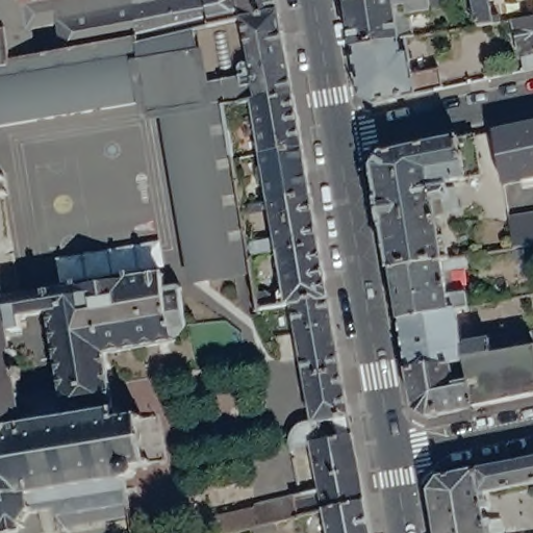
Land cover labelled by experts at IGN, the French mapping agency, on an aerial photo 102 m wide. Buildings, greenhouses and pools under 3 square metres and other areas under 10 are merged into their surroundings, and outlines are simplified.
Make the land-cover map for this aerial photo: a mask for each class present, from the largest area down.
<instances>
[{"label":"building","instance_id":"1","mask_svg":"<svg viewBox=\"0 0 533 533\"><path fill-rule=\"evenodd\" d=\"M42 27H54L60 37H67V48L44 50L15 58L8 56V50L12 46L27 42L33 35V31ZM279 31L275 25L273 0H0V123L29 117H46L54 112L83 110L117 102H135L139 115H148L154 121L160 119L164 127V142L179 214L183 254L185 262L192 267V277L196 281H233V285L242 289L246 287L244 277L248 273L250 252V244L254 242L246 235V225H242L239 221L237 204H233V152L231 129L227 123L223 102L235 100H239L242 104H250L246 112V129L252 142L250 150L254 175L258 181L256 204H260L264 231H269V248L271 281L277 283L275 304L258 306L254 308V312L285 308V323L294 327L289 339L294 352L291 364L300 391L298 408L306 410V418H312L316 425V429L310 431L306 443V454L310 458L312 471L310 479L314 481V487L285 498L258 502L252 508L221 514L214 518V529L219 533H223L227 529L273 523L306 512L310 514L306 518L310 533H366L364 525L356 527L352 523L354 518H362V502L354 452L350 443V429L346 427L350 410L341 404V387L331 383L333 379H337V364L325 362V358L335 356V350L323 300V283L319 275V258L310 212H298V206L308 204V198L304 187L298 137L285 135V131L296 129V125L294 121L281 119L283 115H291V106H281L289 100V90L277 87V83L287 79V75L281 42L277 35ZM439 0H341L339 25L344 46L352 48V65L356 69L354 81L360 85L362 100L371 102L373 106H383L398 100H412L414 90L427 92L435 90L437 85H443V79H439V71L435 67L427 71L410 69V62L414 58L412 50L404 46V37L414 35L416 27L427 25V6L437 4ZM468 12H473L479 19L471 31L483 33V27L500 25L502 21V15L508 12V0H466ZM512 50L518 52V56H523V65L533 73V15L512 21V37L508 40ZM489 154L502 183L533 177V119L498 125L487 133ZM479 173L475 135H427L412 142H398L383 148H375L373 154L366 158L371 208L381 248L375 254V262L377 269L385 267L391 287L398 344L402 356L406 358V366H398V379L402 385L408 387L406 391L410 394V406L423 410L421 421L425 423L448 414H460L473 408L498 406L533 398V325H529L531 344L491 350L487 335H458V316L468 312V304L466 291H450V289H448V283H450V281H454V279H452V271H454V269H466L468 260L464 256H450L448 248H437L433 223L429 221L427 196L431 189H448V181L460 185L466 175ZM0 192L10 189L8 177L0 175ZM504 225L510 229L508 237L521 250V262H529L533 256V212L512 214L508 210L504 221ZM162 246L158 242H146L56 258L58 279L50 281L46 287H40L35 298L10 302L0 291V533H23L27 529L29 518L33 514H40L42 508L52 510L54 525L62 523L71 527L81 523L104 521L108 525L104 533H129L125 527L129 510L131 493L127 481L137 475V471H146L150 475L154 471H169L171 466L169 450V429L164 412L154 416H135L123 410L125 396L129 394V389L123 394L121 389H112L108 385L112 360L115 354H123L125 350L133 348H146L154 354H171L175 341L185 327V316L183 287H177V283H164ZM35 316L40 319L42 346L46 356L44 366L52 369L54 387L60 394L54 404L60 412L33 414L8 421L4 412L17 404V383L10 381V366H6L2 360L4 354H8L4 350V341L19 335L25 329L27 319ZM533 479V454L483 462L473 468L464 466L433 473L425 485L431 533H485L487 527H483L481 523L483 508H479V502H485L483 489L496 487L504 483Z\"/></svg>","mask_w":533,"mask_h":533},{"label":"impervious surface","instance_id":"2","mask_svg":"<svg viewBox=\"0 0 533 533\"><path fill-rule=\"evenodd\" d=\"M275 25L279 31L277 35L281 42L287 75V79L277 83V87L289 90V100L281 106H291V115H283L281 119L294 121L296 125V129L285 131V135L298 137L304 187L308 198V204L298 206V212H310L319 258V275L323 283V300L335 350V356L325 358V362L337 364V379H333L331 383L341 387V404L350 410L346 427L350 429V443L354 452L362 502V518H354L352 523L356 527L364 525L366 533H431L425 485L433 473L464 466L473 468L483 462L533 454V398L498 406L473 408L460 414H448L425 423L421 421L423 410L410 406V394L406 391L408 387L402 385L398 379V366H406V358L402 356L398 344L391 287L385 267L377 269L375 262V254L381 248L371 208L366 158L373 154L375 148H383L398 142H412L427 135H475L479 173L466 175L460 185L448 181V189H431L427 196L429 221L433 223L437 248H448L454 244L456 233L450 227V217H460L464 214V210H468L471 214H477L481 219L496 217L504 221L508 210L512 214L533 212V177L502 183L489 154L487 133L498 125L533 119V73L523 65V56H518V52L512 50L508 40H487V35L483 33L471 31H466L460 37V42H454L446 50H437L433 48V44H423L418 42V35H414L404 37V46L412 50L414 58L410 62V69L427 71L435 67L439 71V79H443V85H437L435 90L427 92L414 90L412 100H398L383 106H373L371 102L362 100L360 85L354 81L356 69L352 65V48L344 46L339 25L341 0H273ZM500 52L516 56L518 69L502 75H485V60ZM508 12L502 15V21H512L533 15V0H508ZM67 37H60L54 27H42L33 31V35L27 42L12 46L8 50V56L15 58L44 50L67 48ZM0 175L8 177L10 189L0 192V291L10 302L35 298L40 287H46L50 281L58 279L56 258L146 242H158L162 246L164 283H177V287H183L198 283V287L206 296L217 300L229 314L237 319L233 325L198 323L194 325L192 341L200 369L214 364H250L264 358L271 371L267 410H271L279 421L277 429L289 435L287 443L281 446L273 458L254 462L256 479L252 485V498L212 506L214 518L221 514L252 508L258 502L285 498L314 487V481L310 479L312 471L310 458L306 454V443L310 431L316 429V425L312 418H306V410L298 408L300 391L291 364L294 352L289 339L294 327L285 323V316L279 319V329L273 331L279 337L281 354L271 356L267 344L262 341L250 316L254 312V308L258 306L275 304L277 283L271 281L269 285L250 283L248 273L244 277L246 287L242 289L233 285V281H196L192 277V267L185 262L183 254L179 214L164 142V127L160 119L154 121L148 115H139L135 102H117L83 110L54 112L46 117H29L0 123ZM252 227L258 229V239L254 242L250 244V252H269V231H264L260 204H256L252 206L250 214ZM452 279H454V281H450V283H448V289H450V291H458V289H460V285H466V269H454V271H452ZM523 306L516 298L502 300L498 304H468V312L458 316V335H487L491 350L531 344L529 325L516 316ZM21 348L29 350L35 356V369L19 371L15 366L12 356ZM4 350L8 354H4L2 360L6 366H10V381L17 383V404L4 412L8 421L33 414L60 412L54 404L60 394L54 387L52 369L44 366L46 356L42 346L40 319L35 316L27 319L25 329L19 335L4 341ZM108 385L112 389H121L123 394L129 389V394L125 396L123 410L135 416H154L164 412L150 379H131V369L119 366L117 360H112ZM177 466H171L169 471H154L150 475L146 471H137V475L127 481L131 493L129 510L131 514H148L154 518L171 508H177L179 500L183 498V493L175 485ZM498 489L496 487L483 489L485 502H479V508H483L481 523L483 527H487L485 533H533V496L529 491H516L506 493L502 498H493L491 491ZM108 525L104 521L81 523L71 527L62 523L54 525L52 510L42 508L40 514H33L29 518L27 529L23 533H104Z\"/></svg>","mask_w":533,"mask_h":533},{"label":"deciduous trees","instance_id":"3","mask_svg":"<svg viewBox=\"0 0 533 533\"><path fill-rule=\"evenodd\" d=\"M437 4L443 8V29L466 31H471L479 19L473 12H468L466 0H439ZM485 75H502L518 69L516 56L500 52L485 60ZM227 123L231 129H246V112L250 104H242L239 100H235L223 102ZM450 227L456 233L454 244H462L468 237L477 239L481 219L477 214H471L468 210H464V214L460 217H450ZM468 260L466 269V285H460V289H458V291H466L468 304H498L502 300L516 298L523 306L516 316L529 325H533V256L529 262H521L525 281L506 283L504 277H479L481 269H491L498 260L489 252L483 248L473 244L464 256ZM15 366L19 371L35 369V356L29 350L21 348L12 356ZM164 412L169 429L185 431L194 429L204 421H217L223 414L217 402L221 394H227L235 400V416H258L267 410L271 371L264 358L250 364H214L200 369H192L175 377L158 373L150 379ZM289 435L277 429L267 427L248 429L239 435H208L189 443H179L169 450L171 466H177L175 485L183 493V498L179 500L177 508H171L154 518V533H219L214 529V521H204L198 514V506L202 502L194 500L196 493L208 487L252 485L256 479L254 462L273 458L281 446L287 443Z\"/></svg>","mask_w":533,"mask_h":533},{"label":"herbaceous vegetation","instance_id":"4","mask_svg":"<svg viewBox=\"0 0 533 533\"><path fill-rule=\"evenodd\" d=\"M443 8L437 4L427 6V25L416 27L414 35H418V42L423 44H433V48L437 50H446L454 42H460V37L466 31L443 29ZM233 152L250 150L252 142L246 129H231ZM498 235L504 239L508 237L510 229L504 225V221L496 217L481 219L477 239L485 242L483 248L489 252L502 248L500 244H493ZM479 277H504L506 283L525 281L521 262L516 258L498 260L491 269H481ZM185 316L194 312L198 316V323L233 325L237 319L229 314L217 300L206 296L198 287V283L183 287ZM112 360H117L119 366L131 369V379H150L158 373L175 377L192 369H200L192 341H175L171 354H154L146 348H133L125 350L123 354H115ZM217 402L223 414L217 421H204L194 429L185 431L169 429V450L179 443H189L208 435H239L248 429L267 427L277 429L279 421L271 410H267L258 416H235V400L227 394H221ZM252 485L208 487L196 493L194 500L202 502L198 506V514L204 521H214V518L212 506L252 498ZM310 514L306 512L273 523L227 529L223 533H310L306 518Z\"/></svg>","mask_w":533,"mask_h":533},{"label":"brushwood","instance_id":"5","mask_svg":"<svg viewBox=\"0 0 533 533\"><path fill-rule=\"evenodd\" d=\"M483 33L487 35V40H508L512 37V21H502L500 25L483 27ZM233 204H237L239 221L242 225H246V235L254 242L258 239V229L252 227L250 214L252 206L256 204L258 181L254 175L250 150L233 152ZM493 244H500L502 248L489 252L498 260L516 258L521 262V250L508 237L504 239L498 235ZM473 244L483 248L485 242L477 239L468 237L462 244H454L448 248L450 256H464ZM248 273L250 283L269 285L271 281L269 248V252H250ZM250 316L262 341L267 344L271 356L281 354L279 337L273 331L279 329V319L285 316V308L254 312ZM198 323V316L194 312L185 316V327L175 341H192L194 325ZM496 487L498 489L491 491L493 498H502L506 493L516 491H529L533 496V479L504 483Z\"/></svg>","mask_w":533,"mask_h":533},{"label":"coniferous trees","instance_id":"6","mask_svg":"<svg viewBox=\"0 0 533 533\"><path fill-rule=\"evenodd\" d=\"M154 518L148 514H131L129 510L125 527L129 533H154Z\"/></svg>","mask_w":533,"mask_h":533}]
</instances>
